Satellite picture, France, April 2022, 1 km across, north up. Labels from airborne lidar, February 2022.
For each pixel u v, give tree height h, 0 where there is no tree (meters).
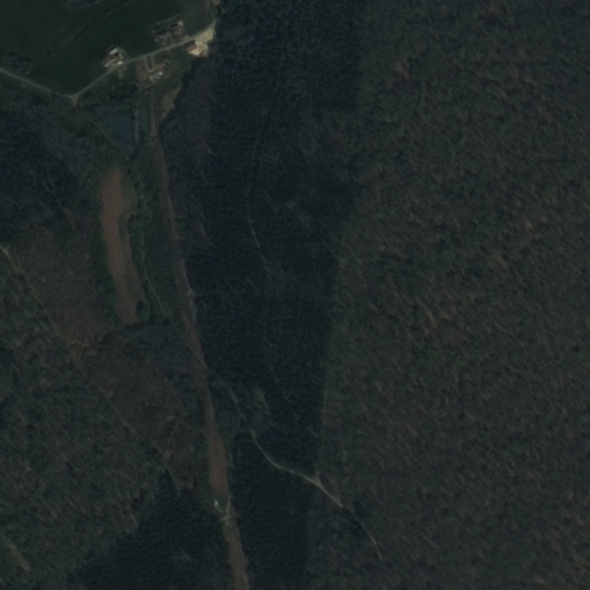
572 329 26
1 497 28
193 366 32
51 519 30
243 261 26
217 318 19
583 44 28
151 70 0
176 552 28
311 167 27
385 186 28
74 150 33
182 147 27
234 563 0
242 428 25
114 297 19
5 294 30
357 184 25
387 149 28
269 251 21
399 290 22
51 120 26
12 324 32
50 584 28
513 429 28
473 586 33
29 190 28
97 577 27
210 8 0
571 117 26
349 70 23
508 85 29
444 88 29
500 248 29
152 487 28
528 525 30
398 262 25
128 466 27
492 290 29
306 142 23
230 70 24
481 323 28
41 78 0
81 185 23
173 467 10
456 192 27
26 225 28
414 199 28
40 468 25
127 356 7
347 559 26
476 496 29
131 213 0
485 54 29
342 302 26
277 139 26
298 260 26
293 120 26
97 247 19
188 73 0
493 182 30
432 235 29
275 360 23
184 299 0
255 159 23
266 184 22
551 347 28
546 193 27
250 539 28
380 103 26
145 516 25
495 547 31
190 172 27
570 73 29
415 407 29
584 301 24
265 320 29
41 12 0
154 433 12
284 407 31
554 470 25
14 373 26
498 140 29
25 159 32
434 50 26
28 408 25
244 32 23
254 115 26
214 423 0
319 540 26
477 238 28
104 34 0
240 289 31
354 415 24
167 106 0
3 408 23
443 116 29
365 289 26
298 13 22
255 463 35
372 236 27
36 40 0
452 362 28
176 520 30
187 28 0
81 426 30
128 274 0
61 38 0
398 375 27
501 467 31
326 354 24
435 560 30
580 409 26
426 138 27
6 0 0
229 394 16
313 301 22
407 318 29
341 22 25
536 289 27
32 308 26
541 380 28
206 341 15
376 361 27
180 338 27
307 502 28
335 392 23
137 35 0
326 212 23
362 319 28
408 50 27
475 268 26
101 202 6
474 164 29
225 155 27
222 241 28
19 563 0
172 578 26
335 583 29
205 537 27
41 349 31
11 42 0
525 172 24
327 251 23
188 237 23
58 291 10
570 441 26
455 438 28
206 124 0
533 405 26
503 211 26
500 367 27
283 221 20
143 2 0
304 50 24
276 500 28
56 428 28
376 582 26
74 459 28
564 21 27
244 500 30
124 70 0
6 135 34
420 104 28
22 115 7
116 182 0
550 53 27
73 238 10
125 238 0
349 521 26
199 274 31
